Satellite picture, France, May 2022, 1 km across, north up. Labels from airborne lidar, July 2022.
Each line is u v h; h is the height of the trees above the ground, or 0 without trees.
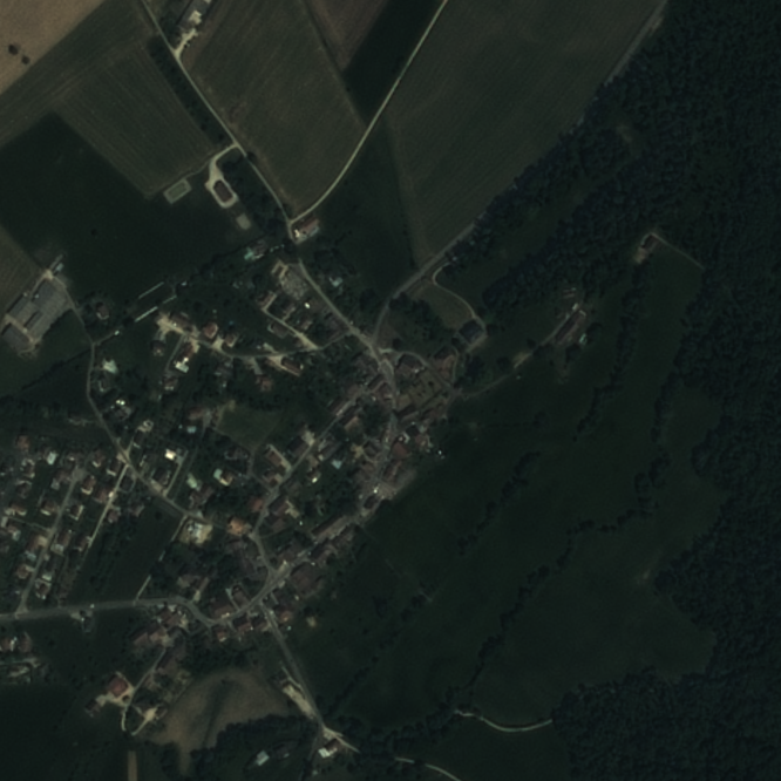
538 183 30
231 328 8
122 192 0
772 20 11
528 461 15
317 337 11
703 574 26
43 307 0
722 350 17
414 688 0
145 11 0
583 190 0
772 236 31
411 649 0
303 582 0
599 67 0
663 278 0
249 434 0
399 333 0
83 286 0
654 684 18
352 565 7
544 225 0
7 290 0
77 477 0
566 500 0
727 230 15
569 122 0
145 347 0
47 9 0
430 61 0
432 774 0
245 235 0
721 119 12
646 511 14
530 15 0
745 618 15
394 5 0
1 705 0
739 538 12
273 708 0
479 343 0
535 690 0
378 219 0
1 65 0
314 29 0
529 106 0
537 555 0
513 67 0
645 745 33
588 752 29
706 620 26
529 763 0
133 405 12
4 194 0
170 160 0
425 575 0
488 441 0
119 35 0
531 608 0
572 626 0
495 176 0
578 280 17
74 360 6
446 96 0
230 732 15
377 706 0
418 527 0
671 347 0
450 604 0
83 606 0
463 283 0
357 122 0
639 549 0
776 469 25
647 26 0
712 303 28
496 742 0
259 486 10
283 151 0
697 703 28
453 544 0
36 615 0
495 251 23
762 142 29
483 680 0
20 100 0
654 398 0
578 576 0
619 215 30
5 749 0
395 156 0
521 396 0
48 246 0
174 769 12
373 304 15
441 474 0
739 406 26
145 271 0
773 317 30
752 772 21
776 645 19
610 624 0
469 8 0
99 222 0
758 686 26
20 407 5
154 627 0
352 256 0
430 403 0
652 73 7
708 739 15
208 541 0
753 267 27
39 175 0
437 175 0
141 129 0
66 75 0
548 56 0
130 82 0
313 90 0
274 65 0
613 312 0
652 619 0
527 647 0
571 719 6
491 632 0
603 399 21
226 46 0
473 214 0
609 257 12
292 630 0
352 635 0
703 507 0
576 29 0
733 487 20
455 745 0
